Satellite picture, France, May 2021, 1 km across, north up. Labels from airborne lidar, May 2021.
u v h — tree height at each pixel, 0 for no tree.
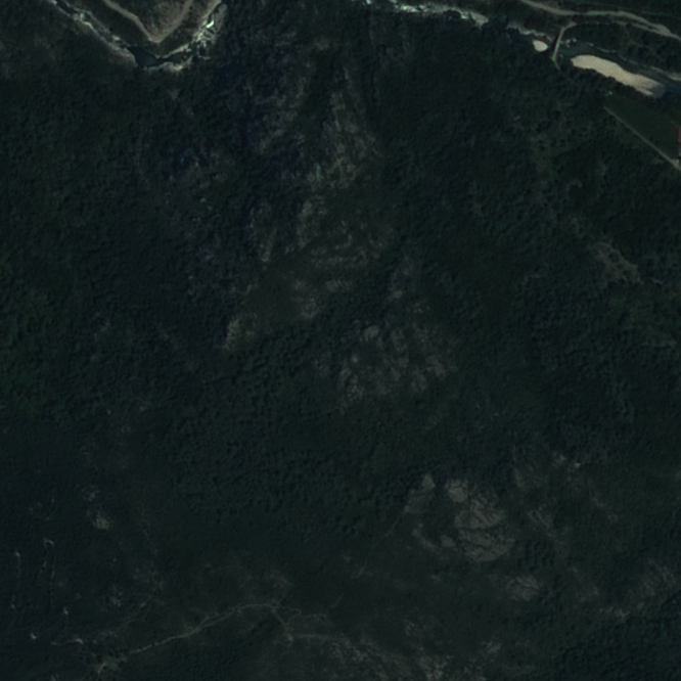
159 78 6
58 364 24
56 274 12
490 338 16
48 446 9
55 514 6
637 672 13
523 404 7
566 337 10
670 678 9
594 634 9
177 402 11
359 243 6
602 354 22
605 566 10
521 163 17
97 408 10
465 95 11
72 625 12
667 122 0
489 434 7
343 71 7
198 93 9
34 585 12
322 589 7
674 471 7
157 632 9
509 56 9
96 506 9
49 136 19
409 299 9
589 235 13
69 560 11
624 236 18
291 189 12
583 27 15
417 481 11
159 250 16
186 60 0
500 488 7
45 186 20
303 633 0
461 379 6
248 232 7
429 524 16
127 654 9
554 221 13
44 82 16
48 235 17
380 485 14
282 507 16
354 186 7
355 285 11
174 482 17
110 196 8
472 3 12
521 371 10
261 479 20
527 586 8
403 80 8
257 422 18
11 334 21
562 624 6
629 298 6
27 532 9
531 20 16
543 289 16
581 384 17
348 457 13
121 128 15
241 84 8
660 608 17
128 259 17
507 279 11
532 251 20
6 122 7
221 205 13
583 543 8
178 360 11
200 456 23
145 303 11
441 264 10
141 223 7
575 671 11
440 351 7
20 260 19
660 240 9
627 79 0
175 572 11
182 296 13
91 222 13
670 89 0
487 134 14
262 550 7
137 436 8
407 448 8
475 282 13
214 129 20
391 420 13
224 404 24
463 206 18
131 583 10
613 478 6
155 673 10
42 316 19
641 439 15
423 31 12
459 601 6
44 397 17
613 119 12
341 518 18
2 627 11
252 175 15
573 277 13
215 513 12
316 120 10
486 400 8
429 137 10
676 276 22
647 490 13
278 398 14
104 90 16
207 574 10
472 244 12
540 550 19
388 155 10
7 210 11
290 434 11
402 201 8
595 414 15
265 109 8
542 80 11
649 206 12
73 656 11
